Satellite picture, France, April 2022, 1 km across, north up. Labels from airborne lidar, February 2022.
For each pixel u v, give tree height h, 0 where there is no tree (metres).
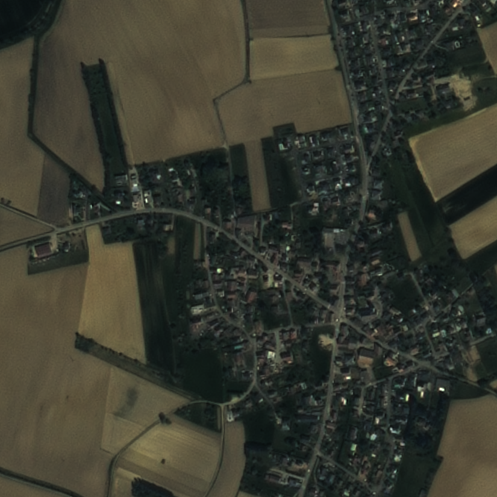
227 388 0
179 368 12
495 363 0
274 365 0
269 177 0
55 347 0
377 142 0
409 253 0
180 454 0
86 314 0
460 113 0
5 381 0
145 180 9
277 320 0
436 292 0
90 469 0
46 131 0
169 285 0
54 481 0
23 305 0
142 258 0
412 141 0
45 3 0
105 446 0
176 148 0
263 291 6
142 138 0
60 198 0
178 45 0
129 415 0
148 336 0
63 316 0
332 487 8
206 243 0
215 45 0
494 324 20
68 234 8
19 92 0
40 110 0
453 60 0
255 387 0
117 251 0
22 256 0
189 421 0
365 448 16
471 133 0
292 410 0
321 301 0
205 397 0
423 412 23
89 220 0
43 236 0
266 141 0
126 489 0
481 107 0
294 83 0
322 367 0
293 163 0
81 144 0
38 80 0
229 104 0
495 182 0
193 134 0
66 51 0
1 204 0
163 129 0
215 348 0
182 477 0
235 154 0
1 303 0
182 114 0
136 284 0
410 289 0
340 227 0
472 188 0
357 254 23
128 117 0
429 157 0
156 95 0
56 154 0
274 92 0
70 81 0
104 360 0
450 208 0
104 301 0
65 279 0
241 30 0
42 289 0
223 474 0
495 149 0
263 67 0
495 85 0
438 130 0
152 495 12
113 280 0
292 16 0
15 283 0
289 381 8
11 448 0
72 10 0
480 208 0
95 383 0
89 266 0
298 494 0
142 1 0
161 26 0
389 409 0
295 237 7
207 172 15
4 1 0
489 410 0
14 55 0
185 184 5
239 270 0
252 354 0
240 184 16
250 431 0
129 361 0
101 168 0
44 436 0
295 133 0
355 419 0
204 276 0
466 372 0
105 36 0
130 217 0
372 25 0
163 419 16
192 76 0
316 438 0
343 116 0
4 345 0
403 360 0
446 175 0
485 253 0
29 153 0
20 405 0
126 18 0
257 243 6
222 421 0
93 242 0
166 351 0
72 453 0
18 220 0
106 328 0
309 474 0
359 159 0
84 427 0
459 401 0
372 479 8
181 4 0
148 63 0
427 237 0
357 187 0
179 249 0
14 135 0
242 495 0
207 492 0
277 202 0
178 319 0
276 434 0
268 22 0
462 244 0
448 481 0
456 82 0
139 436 0
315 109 0
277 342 0
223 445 0
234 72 0
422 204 0
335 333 0
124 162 14
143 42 0
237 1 0
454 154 0
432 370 0
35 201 0
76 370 0
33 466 0
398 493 0
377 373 0
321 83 0
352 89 0
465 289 0
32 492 0
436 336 0
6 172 0
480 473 0
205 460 0
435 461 8
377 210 13
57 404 0
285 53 0
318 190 0
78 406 0
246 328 0
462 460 0
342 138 0
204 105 0
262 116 0
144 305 0
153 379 0
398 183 0
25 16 0
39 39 0
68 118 0
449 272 0
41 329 0
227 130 0
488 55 0
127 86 0
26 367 0
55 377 0
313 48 0
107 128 0
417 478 0
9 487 0
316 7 0
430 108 11
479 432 0
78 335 11
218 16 0
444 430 0
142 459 0
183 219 0
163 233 12
